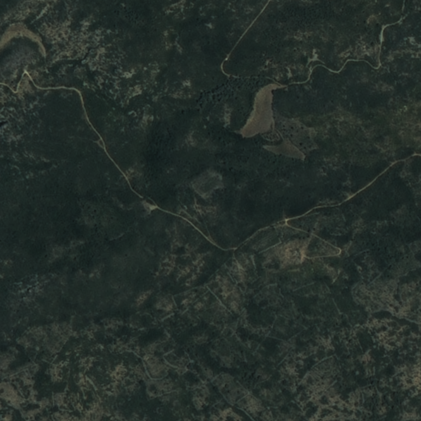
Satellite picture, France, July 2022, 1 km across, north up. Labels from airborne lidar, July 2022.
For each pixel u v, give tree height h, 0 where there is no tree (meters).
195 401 0
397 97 0
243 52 0
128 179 0
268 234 0
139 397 0
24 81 0
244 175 6
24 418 0
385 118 0
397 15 0
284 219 0
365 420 8
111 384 0
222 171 6
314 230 8
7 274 0
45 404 0
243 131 0
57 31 0
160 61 0
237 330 6
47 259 6
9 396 0
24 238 0
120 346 0
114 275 0
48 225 0
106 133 0
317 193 0
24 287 0
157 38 0
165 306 0
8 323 0
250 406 0
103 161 0
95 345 0
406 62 0
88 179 0
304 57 6
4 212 0
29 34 0
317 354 0
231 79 11
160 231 0
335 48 0
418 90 0
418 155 0
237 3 0
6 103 7
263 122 0
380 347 0
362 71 0
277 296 0
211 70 0
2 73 0
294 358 0
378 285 0
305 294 0
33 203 0
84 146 0
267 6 0
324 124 0
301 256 0
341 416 0
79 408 0
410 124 0
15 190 0
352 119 0
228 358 0
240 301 0
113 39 0
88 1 0
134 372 0
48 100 0
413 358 0
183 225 0
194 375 6
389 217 6
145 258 0
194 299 0
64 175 0
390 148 0
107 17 0
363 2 0
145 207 0
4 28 7
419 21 0
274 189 0
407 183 6
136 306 0
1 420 0
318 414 0
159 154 6
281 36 0
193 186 0
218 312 0
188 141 0
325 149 0
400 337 0
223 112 0
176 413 0
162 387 0
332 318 0
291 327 0
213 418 0
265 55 8
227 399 0
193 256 0
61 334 0
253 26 0
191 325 7
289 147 0
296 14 8
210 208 0
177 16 0
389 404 12
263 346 0
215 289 0
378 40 7
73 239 7
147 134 6
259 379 8
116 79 0
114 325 0
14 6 0
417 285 7
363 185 0
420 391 0
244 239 0
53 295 0
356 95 0
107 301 0
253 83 9
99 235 6
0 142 0
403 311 0
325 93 0
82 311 0
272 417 0
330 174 0
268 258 0
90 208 11
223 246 0
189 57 0
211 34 0
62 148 0
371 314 0
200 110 11
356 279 0
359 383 6
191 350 7
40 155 0
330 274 0
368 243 6
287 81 6
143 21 7
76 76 0
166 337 0
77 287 0
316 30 0
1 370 6
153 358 0
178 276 0
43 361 0
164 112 0
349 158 0
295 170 0
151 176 7
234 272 0
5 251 0
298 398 0
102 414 0
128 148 0
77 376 0
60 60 0
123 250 0
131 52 0
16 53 0
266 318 0
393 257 9
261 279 0
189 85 0
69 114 0
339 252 0
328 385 0
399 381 0
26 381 0
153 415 0
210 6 0
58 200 0
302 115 0
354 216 7
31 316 0
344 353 0
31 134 0
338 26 0
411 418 0
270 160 9
